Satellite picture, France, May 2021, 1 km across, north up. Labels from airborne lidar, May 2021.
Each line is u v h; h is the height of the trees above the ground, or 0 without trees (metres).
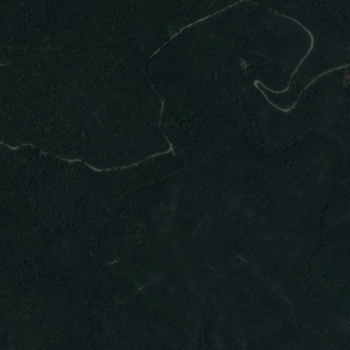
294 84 8
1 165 11
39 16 16
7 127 9
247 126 14
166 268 6
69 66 6
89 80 9
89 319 16
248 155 9
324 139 10
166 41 11
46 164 8
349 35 7
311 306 13
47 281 15
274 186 6
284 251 7
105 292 11
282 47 8
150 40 9
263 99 6
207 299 6
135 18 11
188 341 11
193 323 5
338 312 8
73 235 8
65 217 11
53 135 11
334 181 12
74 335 15
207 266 6
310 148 8
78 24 12
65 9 11
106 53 8
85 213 6
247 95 7
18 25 12
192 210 8
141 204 6
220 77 10
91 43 8
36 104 10
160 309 7
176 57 12
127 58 18
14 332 6
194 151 10
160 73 20
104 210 9
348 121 6
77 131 9
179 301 6
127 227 10
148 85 12
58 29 8
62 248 12
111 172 7
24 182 10
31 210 17
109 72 18
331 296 11
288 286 8
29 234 15
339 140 7
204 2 8
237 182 6
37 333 10
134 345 12
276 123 6
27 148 15
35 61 7
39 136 11
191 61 15
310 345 5
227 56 13
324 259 7
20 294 11
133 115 13
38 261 13
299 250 7
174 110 12
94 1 8
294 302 7
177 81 19
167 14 9
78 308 12
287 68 8
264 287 7
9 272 16
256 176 8
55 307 10
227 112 14
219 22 10
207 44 10
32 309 10
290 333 8
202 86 14
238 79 9
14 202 13
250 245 11
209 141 7
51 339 14
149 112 10
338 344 13
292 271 8
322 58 7
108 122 7
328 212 11
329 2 13
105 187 10
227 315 8
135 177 8
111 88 10
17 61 7
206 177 6
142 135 10
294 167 8
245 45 14
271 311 9
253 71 7
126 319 8
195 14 7
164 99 9
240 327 8
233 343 11
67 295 14
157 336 6
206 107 12
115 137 7
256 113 8
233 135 13
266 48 8
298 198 11
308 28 7
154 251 12
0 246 15
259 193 10
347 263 8
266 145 12
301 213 9
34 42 11
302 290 10
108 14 10
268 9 13
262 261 10
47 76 12
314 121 8
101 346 13
